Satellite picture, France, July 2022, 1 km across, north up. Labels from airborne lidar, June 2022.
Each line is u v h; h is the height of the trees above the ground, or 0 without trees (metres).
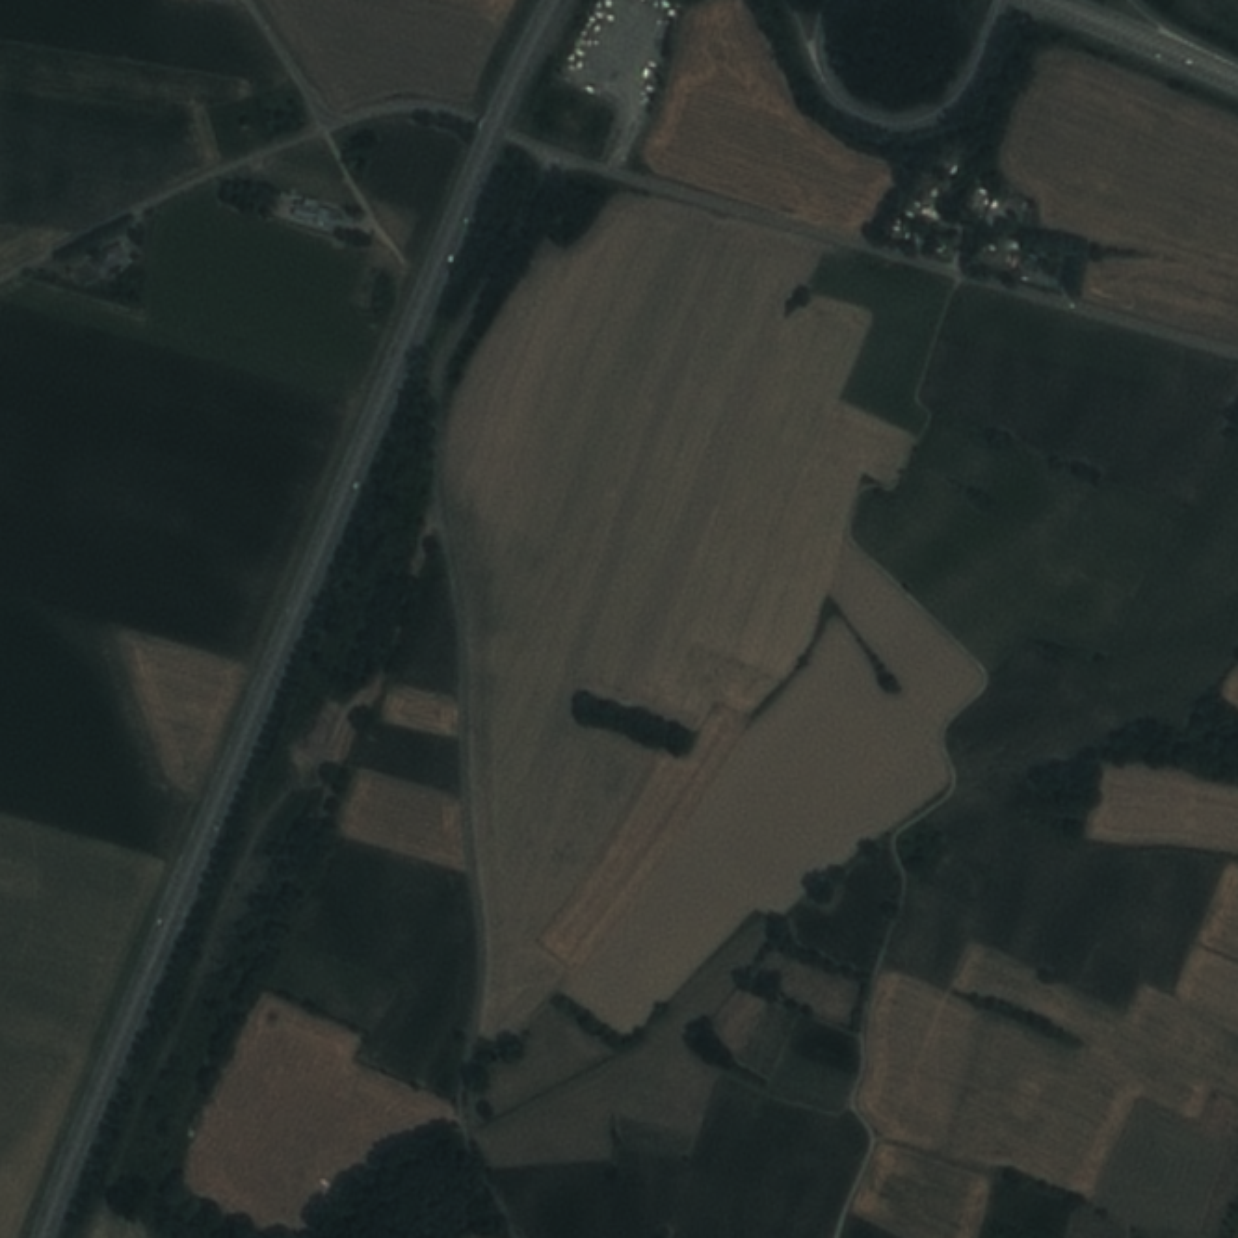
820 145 0
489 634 0
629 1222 0
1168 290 0
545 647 0
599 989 0
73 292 0
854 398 0
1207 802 0
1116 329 0
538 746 0
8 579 0
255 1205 0
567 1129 0
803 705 0
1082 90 0
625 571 0
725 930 0
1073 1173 0
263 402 0
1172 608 0
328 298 0
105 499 0
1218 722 14
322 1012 6
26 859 0
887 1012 0
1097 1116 0
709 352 0
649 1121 0
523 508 0
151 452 0
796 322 0
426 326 0
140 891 0
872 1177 0
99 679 0
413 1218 24
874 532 0
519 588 0
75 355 0
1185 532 0
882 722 0
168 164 0
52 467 0
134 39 0
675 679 0
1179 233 0
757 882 0
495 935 0
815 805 0
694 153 0
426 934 0
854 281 0
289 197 0
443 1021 0
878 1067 0
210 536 0
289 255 0
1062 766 16
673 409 0
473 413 0
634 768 0
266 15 0
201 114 0
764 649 0
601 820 0
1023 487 0
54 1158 0
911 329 0
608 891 0
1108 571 0
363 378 0
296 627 0
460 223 0
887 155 21
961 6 16
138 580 0
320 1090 0
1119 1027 0
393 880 0
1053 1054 0
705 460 0
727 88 0
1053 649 7
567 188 20
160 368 0
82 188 0
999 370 0
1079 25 0
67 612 0
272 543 0
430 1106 0
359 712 12
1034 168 0
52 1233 0
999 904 0
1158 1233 0
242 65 0
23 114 0
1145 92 0
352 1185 22
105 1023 0
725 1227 0
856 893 0
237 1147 0
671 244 0
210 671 0
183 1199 21
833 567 0
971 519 0
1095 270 0
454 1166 22
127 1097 6
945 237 6
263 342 0
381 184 0
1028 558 0
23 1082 0
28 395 0
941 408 0
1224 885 0
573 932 0
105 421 0
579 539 0
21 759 0
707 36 0
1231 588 0
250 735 0
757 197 0
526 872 0
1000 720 0
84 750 0
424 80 0
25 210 0
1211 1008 0
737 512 0
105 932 0
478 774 0
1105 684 0
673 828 0
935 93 18
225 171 0
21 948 0
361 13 0
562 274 0
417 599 9
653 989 0
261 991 12
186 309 0
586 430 0
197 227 0
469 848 0
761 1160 0
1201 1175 0
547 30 0
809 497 0
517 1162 0
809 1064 0
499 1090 0
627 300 0
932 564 0
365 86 0
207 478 0
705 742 0
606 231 0
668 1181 0
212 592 0
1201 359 0
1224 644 0
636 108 0
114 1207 13
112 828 0
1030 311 0
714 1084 0
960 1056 0
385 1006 0
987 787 0
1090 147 0
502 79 0
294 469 0
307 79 0
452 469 0
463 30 0
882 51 24
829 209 0
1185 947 0
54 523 0
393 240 0
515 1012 0
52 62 0
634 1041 8
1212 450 0
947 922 0
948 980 0
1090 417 0
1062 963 0
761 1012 0
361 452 0
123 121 0
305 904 21
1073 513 0
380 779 0
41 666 0
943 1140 0
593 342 0
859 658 0
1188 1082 0
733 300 0
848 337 0
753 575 0
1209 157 0
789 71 16
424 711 0
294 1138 0
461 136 9
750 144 0
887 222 15
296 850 17
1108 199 0
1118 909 0
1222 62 0
